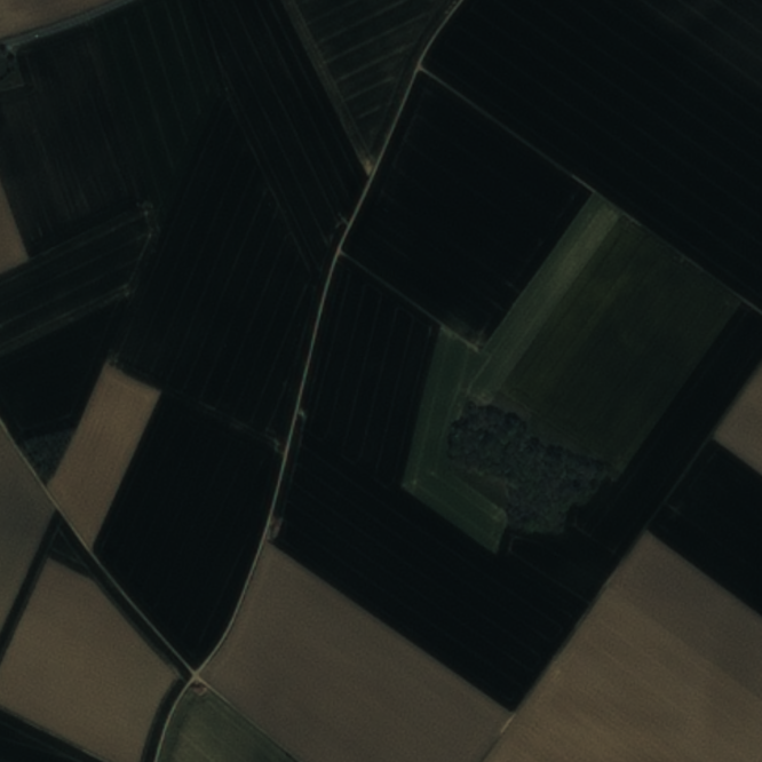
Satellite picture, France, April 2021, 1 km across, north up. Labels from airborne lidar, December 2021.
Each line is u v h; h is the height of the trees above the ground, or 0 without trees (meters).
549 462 21
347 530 0
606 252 0
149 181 0
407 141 0
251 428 0
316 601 0
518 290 0
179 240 0
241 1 0
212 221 0
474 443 20
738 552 0
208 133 0
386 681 0
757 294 0
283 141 0
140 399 0
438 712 0
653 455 0
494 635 0
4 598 0
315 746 0
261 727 0
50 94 0
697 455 0
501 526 0
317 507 0
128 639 0
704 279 0
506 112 0
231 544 0
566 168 0
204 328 0
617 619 0
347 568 0
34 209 0
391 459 0
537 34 0
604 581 0
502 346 0
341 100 0
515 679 0
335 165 0
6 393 0
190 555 0
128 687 0
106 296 0
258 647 0
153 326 0
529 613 0
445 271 0
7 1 0
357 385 0
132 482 0
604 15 0
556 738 0
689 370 0
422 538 0
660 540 0
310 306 0
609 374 0
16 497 0
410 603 0
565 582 0
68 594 0
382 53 0
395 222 0
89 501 0
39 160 0
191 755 0
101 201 0
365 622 0
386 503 0
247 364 0
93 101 0
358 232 0
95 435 0
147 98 0
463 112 0
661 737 0
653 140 0
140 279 0
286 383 0
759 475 0
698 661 0
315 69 0
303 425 0
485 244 0
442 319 0
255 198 0
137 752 0
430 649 0
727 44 0
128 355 0
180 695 0
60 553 0
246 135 0
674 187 0
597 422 0
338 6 0
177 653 0
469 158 0
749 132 0
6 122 0
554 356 0
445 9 0
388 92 0
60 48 0
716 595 0
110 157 0
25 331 0
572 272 0
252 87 0
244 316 0
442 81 0
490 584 0
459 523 0
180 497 0
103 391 0
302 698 0
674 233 0
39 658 0
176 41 0
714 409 0
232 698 0
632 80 0
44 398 0
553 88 0
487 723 0
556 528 14
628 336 0
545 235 0
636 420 0
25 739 0
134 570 0
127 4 0
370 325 0
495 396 0
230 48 0
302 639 0
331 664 0
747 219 0
